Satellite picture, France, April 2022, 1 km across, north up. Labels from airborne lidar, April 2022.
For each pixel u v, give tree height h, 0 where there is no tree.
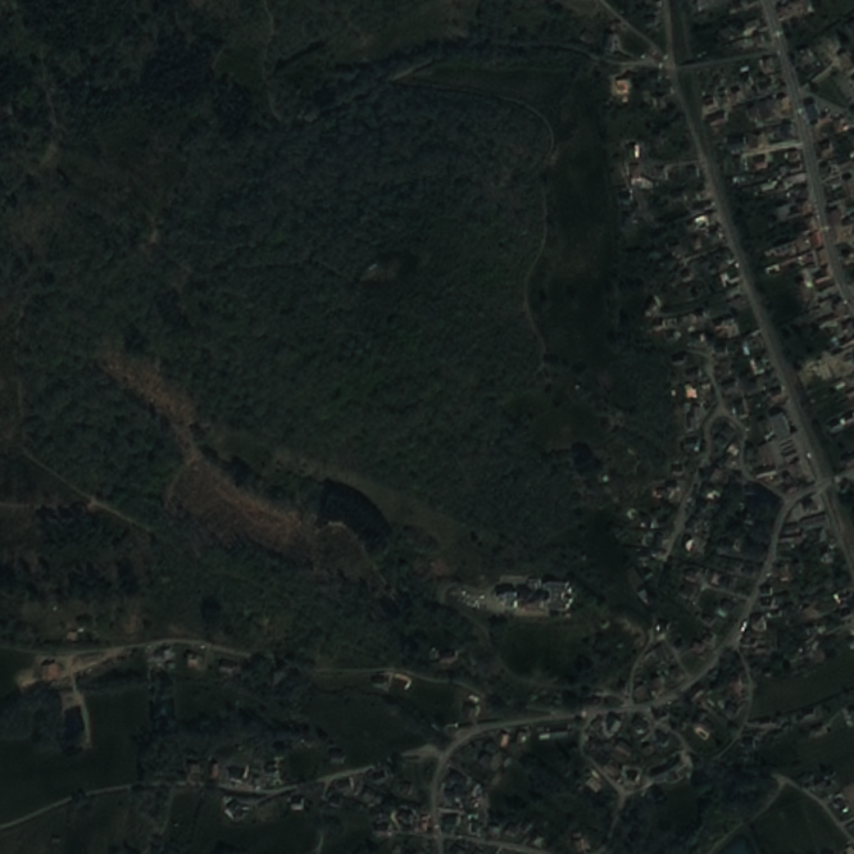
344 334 13
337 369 19
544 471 14
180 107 32
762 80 8
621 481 15
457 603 0
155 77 32
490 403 14
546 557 22
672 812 0
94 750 0
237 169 12
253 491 22
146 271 8
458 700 0
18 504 0
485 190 19
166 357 8
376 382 10
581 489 6
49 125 18
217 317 22
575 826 13
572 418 0
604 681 8
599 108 6
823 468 0
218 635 10
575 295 20
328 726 0
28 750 0
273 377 18
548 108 0
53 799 0
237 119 24
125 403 18
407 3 11
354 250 13
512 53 11
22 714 26
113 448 26
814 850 0
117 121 34
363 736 0
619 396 0
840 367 0
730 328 0
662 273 10
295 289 14
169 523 16
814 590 10
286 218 21
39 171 19
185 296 6
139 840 0
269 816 0
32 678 0
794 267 8
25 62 10
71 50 17
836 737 0
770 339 0
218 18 9
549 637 0
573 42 7
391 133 23
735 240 0
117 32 21
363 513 27
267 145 17
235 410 7
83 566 0
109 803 0
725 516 15
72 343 22
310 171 21
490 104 7
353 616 21
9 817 0
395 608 0
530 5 17
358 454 17
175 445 26
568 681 6
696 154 0
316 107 10
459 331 13
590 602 16
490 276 12
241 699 0
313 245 15
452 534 0
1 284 27
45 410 21
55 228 10
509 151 13
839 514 0
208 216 11
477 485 14
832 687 0
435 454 18
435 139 12
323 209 9
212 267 13
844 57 0
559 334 0
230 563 21
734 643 0
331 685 0
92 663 0
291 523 0
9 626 21
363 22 10
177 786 17
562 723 0
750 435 0
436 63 10
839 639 0
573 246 0
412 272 0
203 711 0
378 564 13
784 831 0
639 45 0
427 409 11
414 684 0
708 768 15
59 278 16
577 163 0
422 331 10
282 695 20
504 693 6
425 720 13
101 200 15
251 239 20
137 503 26
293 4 12
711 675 7
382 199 12
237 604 18
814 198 0
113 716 0
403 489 18
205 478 0
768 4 0
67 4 23
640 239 0
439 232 7
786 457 0
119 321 24
